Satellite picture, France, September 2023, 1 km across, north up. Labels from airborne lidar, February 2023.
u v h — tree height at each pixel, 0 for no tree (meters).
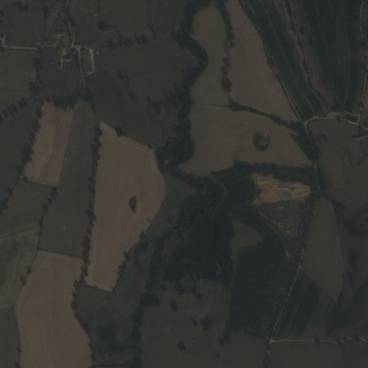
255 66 0
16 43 0
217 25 0
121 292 0
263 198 0
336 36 0
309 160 0
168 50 0
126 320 0
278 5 0
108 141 0
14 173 0
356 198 0
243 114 0
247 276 26
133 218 0
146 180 0
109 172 0
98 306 0
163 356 0
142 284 0
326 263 0
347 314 0
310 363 0
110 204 0
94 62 0
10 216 0
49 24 0
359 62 0
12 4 0
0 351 0
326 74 0
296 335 0
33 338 0
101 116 0
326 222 0
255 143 0
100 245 0
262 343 0
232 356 0
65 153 0
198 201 16
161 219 0
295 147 0
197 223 0
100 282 0
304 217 0
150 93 0
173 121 0
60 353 0
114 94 0
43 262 0
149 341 0
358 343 0
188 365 0
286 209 0
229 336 17
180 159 15
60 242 0
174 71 0
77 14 0
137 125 0
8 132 0
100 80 0
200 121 0
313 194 15
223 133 0
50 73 0
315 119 0
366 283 0
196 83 0
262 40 7
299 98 0
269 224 0
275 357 0
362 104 12
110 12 0
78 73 0
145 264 0
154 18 0
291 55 0
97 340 0
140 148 0
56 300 0
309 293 0
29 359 0
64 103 24
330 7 0
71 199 0
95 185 0
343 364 0
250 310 30
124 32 0
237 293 26
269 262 22
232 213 19
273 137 0
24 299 0
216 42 0
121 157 0
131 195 0
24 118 0
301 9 0
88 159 0
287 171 13
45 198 0
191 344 0
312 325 0
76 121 0
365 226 0
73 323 0
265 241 24
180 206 0
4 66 0
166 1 0
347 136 0
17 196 0
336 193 0
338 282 0
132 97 15
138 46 0
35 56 0
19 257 0
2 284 0
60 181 0
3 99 0
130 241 0
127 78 8
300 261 14
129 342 0
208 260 0
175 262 0
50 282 0
